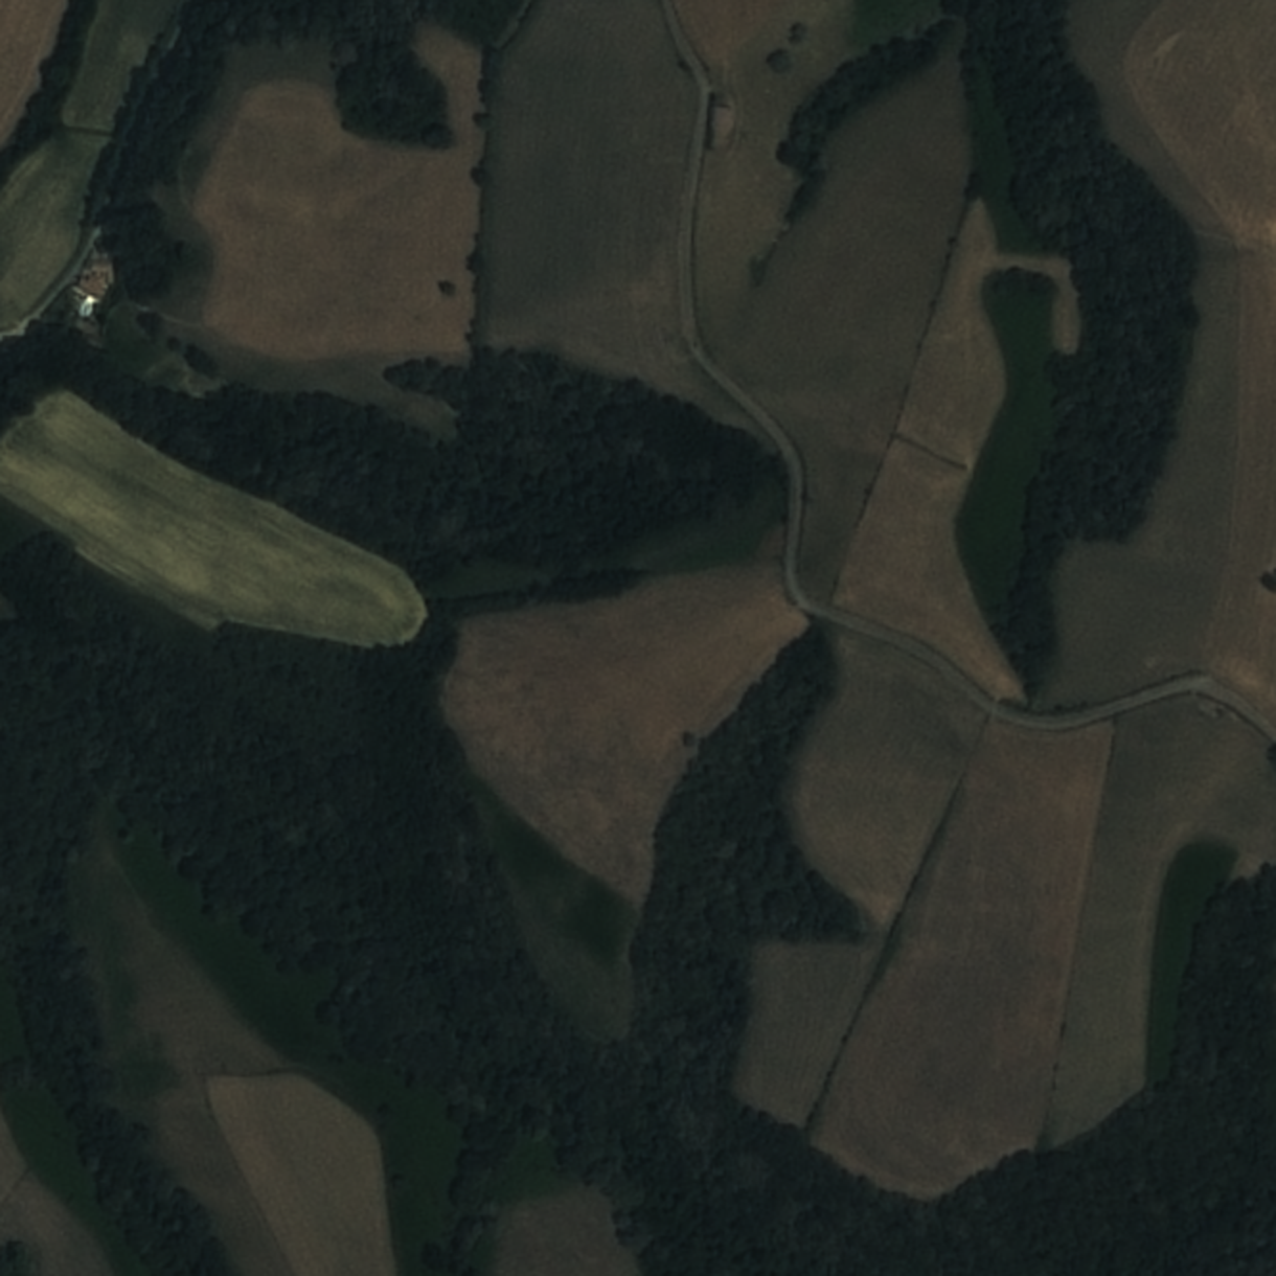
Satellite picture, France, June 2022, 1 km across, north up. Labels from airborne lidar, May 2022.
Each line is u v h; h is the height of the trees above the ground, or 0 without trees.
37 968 19
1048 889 0
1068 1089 0
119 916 0
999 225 0
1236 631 0
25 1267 10
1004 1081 0
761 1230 21
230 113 0
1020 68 17
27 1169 0
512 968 11
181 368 0
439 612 10
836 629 0
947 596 0
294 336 0
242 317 0
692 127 0
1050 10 17
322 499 18
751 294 0
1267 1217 19
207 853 19
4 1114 0
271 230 0
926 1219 14
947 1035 0
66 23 11
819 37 0
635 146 0
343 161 0
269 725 10
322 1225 0
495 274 0
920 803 0
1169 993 0
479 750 0
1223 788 0
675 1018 18
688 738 9
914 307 0
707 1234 9
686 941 16
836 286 0
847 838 0
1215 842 0
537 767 0
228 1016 0
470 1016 29
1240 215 0
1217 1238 20
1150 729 0
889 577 0
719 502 17
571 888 0
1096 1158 7
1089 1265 20
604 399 8
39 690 23
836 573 0
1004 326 0
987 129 0
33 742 25
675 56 0
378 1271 0
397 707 14
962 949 0
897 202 0
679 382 0
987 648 0
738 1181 20
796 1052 0
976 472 0
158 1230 18
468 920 14
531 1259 0
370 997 19
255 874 21
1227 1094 16
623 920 0
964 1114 0
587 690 0
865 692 0
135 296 18
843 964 0
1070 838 0
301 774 22
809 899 13
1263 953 20
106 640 13
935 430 0
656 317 0
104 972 0
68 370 13
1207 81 0
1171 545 0
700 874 11
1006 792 0
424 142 9
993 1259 15
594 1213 0
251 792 16
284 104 0
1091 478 16
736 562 0
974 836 0
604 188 0
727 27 0
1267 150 0
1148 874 0
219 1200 0
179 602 0
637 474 23
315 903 28
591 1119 28
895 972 0
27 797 30
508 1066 18
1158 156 0
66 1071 17
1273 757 8
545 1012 12
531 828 0
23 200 0
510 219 0
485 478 21
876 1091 0
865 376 0
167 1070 0
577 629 0
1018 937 0
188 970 0
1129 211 13
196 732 15
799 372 0
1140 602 0
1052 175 18
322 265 0
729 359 0
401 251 0
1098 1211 15
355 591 0
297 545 0
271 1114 0
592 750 0
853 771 0
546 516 25
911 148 0
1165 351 12
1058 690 0
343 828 14
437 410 0
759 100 0
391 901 18
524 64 0
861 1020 0
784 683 11
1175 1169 15
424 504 16
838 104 16
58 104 6
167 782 14
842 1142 0
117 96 0
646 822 0
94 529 0
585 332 0
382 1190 0
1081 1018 0
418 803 23
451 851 18
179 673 12
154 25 0
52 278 0
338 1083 0
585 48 0
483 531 22
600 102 0
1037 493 10
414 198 0
